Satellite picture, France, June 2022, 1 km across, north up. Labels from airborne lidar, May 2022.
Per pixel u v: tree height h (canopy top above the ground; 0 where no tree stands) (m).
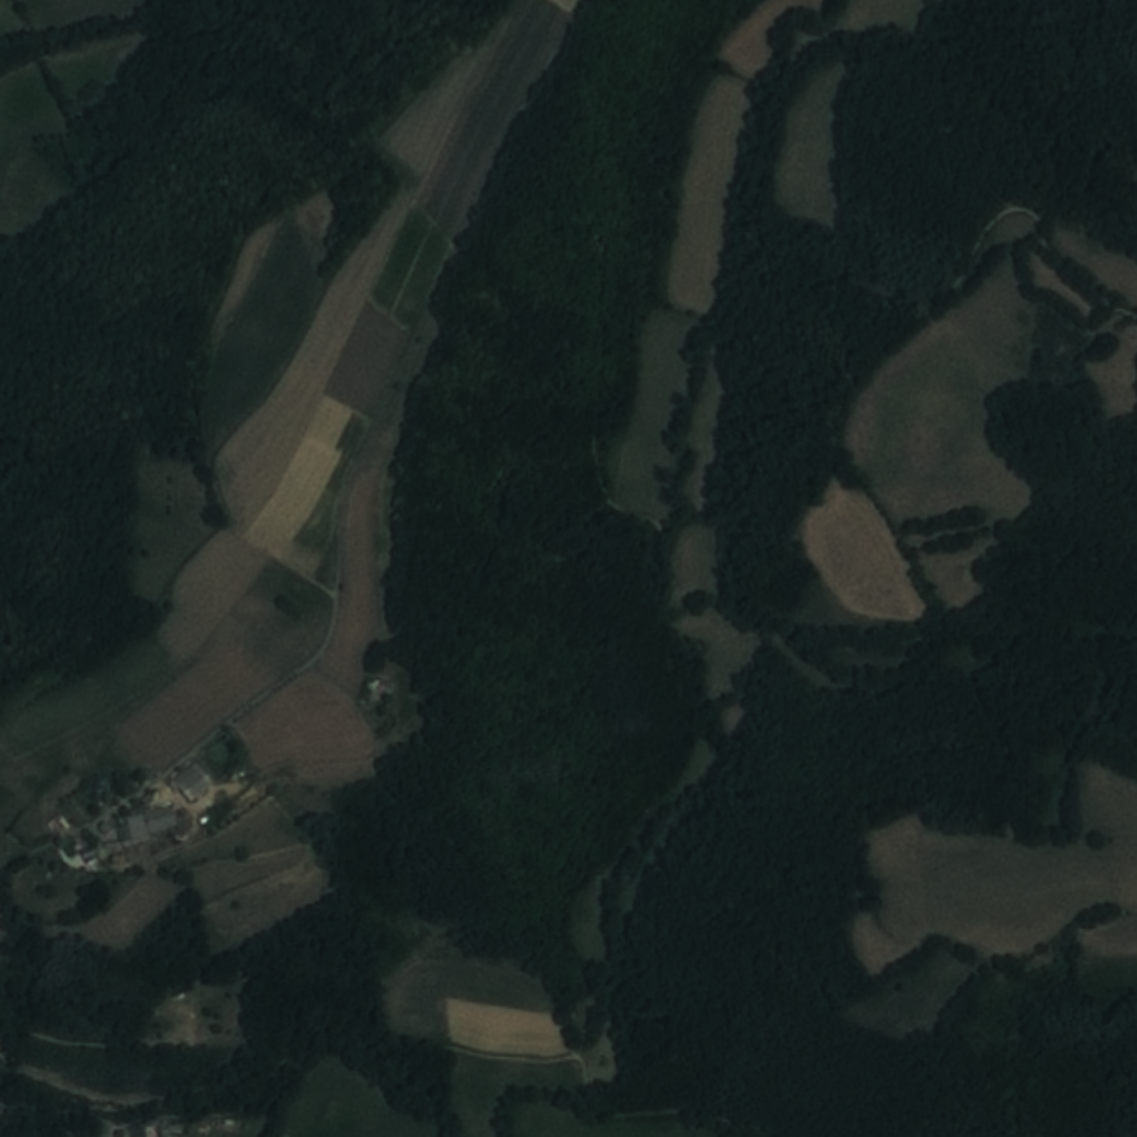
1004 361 0
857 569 0
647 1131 0
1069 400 16
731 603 19
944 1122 12
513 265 21
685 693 16
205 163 17
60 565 12
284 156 19
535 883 13
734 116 0
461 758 18
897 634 14
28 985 8
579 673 22
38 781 0
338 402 0
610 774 23
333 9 26
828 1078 16
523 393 24
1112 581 18
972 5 11
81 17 0
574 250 16
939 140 20
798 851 26
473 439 12
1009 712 19
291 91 25
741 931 21
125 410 18
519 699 23
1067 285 11
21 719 0
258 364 0
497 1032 0
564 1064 0
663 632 16
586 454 14
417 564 13
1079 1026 32
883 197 19
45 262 16
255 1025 16
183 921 19
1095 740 18
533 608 19
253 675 0
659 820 12
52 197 0
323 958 18
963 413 0
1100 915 15
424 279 0
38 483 23
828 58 19
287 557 0
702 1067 10
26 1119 17
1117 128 22
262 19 13
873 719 23
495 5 19
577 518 26
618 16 16
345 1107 0
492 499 19
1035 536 8
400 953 0
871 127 22
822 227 12
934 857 0
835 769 23
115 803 9
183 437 16
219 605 0
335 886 18
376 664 15
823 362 21
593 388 22
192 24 27
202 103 6
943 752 22
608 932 14
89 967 12
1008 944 0
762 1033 20
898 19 0
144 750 0
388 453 0
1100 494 13
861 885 17
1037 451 17
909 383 0
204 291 15
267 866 0
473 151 0
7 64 26
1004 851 0
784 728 23
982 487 0
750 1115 15
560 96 20
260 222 16
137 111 25
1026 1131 18
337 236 13
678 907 24
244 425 0
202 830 0
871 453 0
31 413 21
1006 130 28
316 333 0
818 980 21
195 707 0
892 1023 0
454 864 18
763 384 18
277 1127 12
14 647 21
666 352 0
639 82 16
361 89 21
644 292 24
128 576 17
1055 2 20
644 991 23
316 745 0
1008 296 0
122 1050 9
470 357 21
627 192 19
